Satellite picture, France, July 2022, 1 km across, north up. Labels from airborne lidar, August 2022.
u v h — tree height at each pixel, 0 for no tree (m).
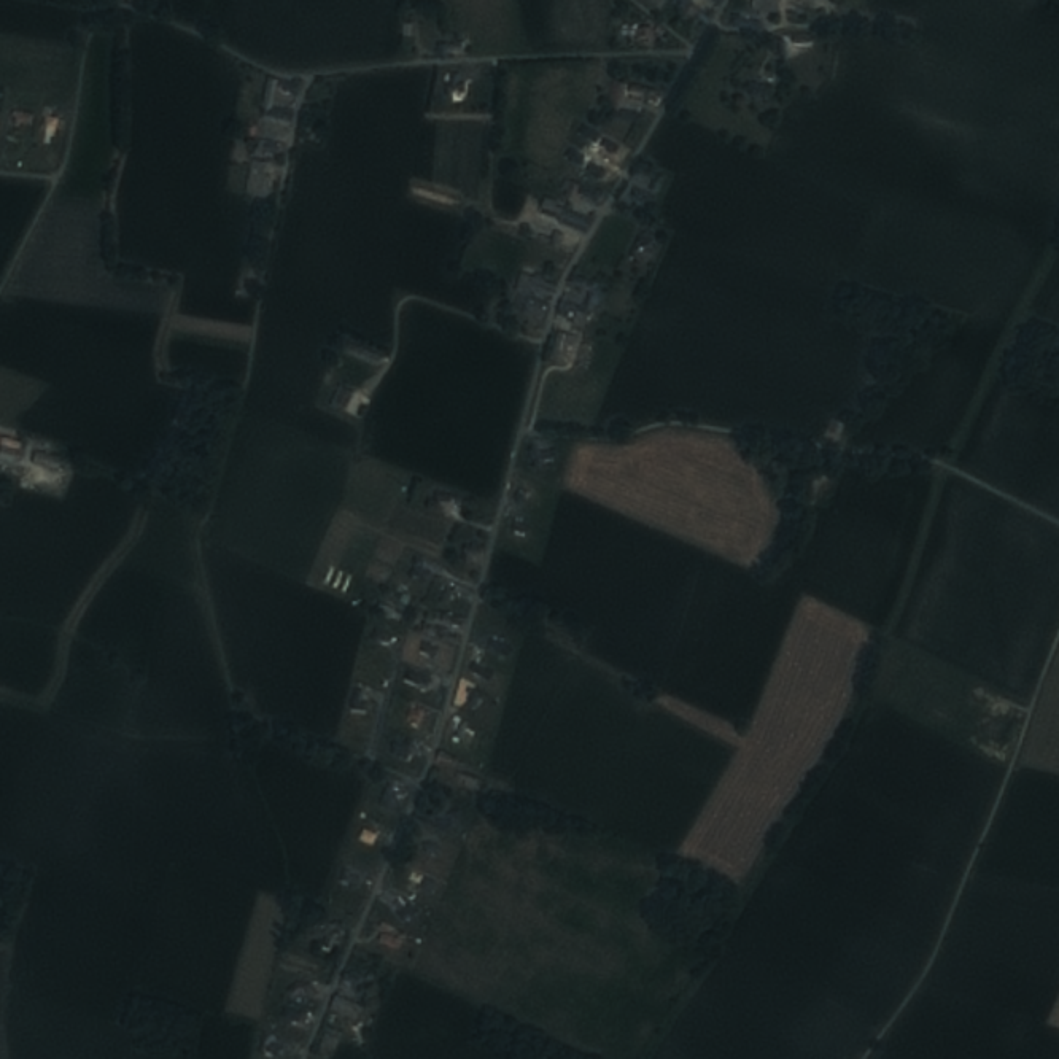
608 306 0
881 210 0
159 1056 14
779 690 0
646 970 0
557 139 0
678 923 27
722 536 0
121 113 19
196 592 0
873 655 25
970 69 0
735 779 0
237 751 18
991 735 0
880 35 12
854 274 0
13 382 0
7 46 0
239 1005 0
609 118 11
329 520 0
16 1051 0
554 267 8
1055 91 0
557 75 0
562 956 0
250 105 0
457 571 0
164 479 25
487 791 9
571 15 0
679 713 0
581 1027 0
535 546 0
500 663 0
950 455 14
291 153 7
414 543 0
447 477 0
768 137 0
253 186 0
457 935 0
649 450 0
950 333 18
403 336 0
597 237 0
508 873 0
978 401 0
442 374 0
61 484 0
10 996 0
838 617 0
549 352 10
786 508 18
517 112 0
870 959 0
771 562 21
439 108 0
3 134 0
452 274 15
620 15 9
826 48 6
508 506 0
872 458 18
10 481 12
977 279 0
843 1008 0
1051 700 0
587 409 0
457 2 0
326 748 20
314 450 0
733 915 12
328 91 5
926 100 0
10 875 21
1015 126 0
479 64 0
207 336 0
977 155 0
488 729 0
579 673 0
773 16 17
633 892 0
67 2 7
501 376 0
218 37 23
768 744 0
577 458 0
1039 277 0
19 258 0
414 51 6
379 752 0
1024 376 30
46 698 0
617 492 0
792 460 29
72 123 0
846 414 12
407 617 13
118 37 14
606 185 0
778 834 15
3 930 16
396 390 0
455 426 0
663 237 14
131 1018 14
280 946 11
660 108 0
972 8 0
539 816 22
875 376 21
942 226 0
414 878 0
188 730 0
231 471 0
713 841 0
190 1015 14
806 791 13
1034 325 13
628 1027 0
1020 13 0
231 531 0
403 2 10
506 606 25
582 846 0
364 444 0
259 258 21
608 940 0
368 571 0
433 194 0
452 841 0
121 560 0
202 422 29
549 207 0
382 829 0
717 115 0
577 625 24
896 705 0
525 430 0
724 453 0
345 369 0
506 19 0
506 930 0
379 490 0
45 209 0
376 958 7
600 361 0
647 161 14
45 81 0
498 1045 20
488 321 20
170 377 11
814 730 0
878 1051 12
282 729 19
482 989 0
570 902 0
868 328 25
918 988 0
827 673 0
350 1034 0
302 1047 0
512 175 17
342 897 0
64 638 0
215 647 0
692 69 14
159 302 0
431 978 0
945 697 0
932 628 0
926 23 0
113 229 14
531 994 0
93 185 0
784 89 8
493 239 0
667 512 0
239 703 14
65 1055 0
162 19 19
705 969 8
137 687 10
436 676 0
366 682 0
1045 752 0
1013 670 0
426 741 0
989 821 0
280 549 0
